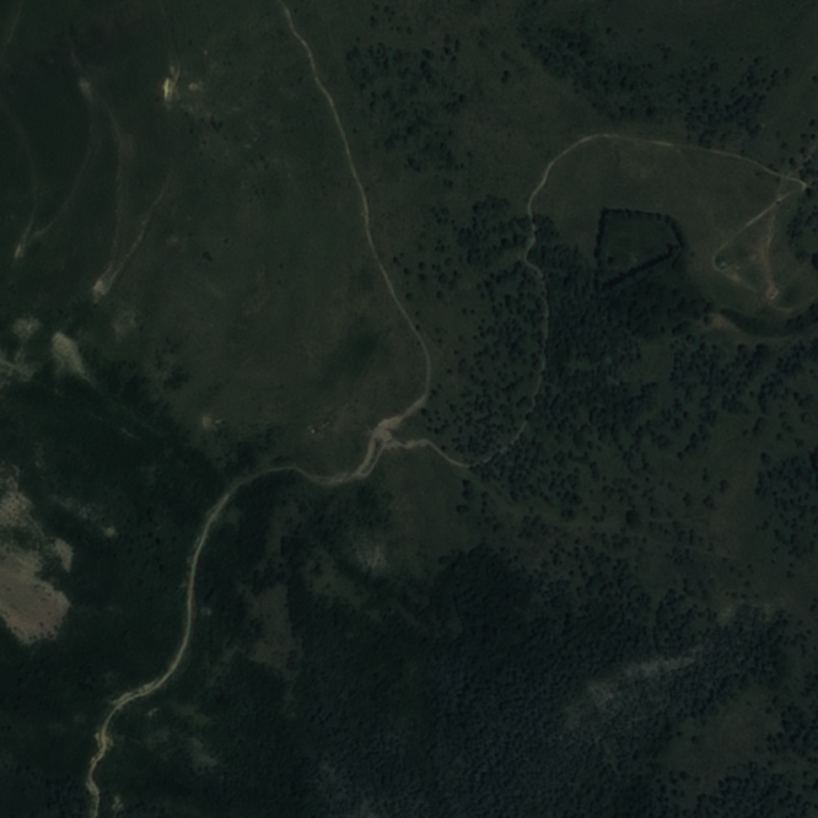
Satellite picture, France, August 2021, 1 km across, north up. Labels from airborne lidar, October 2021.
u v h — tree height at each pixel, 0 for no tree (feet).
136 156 0
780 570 0
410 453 0
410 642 20
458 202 0
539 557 0
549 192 0
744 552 0
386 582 35
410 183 0
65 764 20
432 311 0
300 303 0
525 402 30
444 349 0
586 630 30
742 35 0
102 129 0
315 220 0
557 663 43
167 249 0
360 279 0
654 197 0
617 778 50
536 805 30
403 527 0
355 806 33
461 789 20
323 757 35
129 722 22
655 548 0
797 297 0
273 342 0
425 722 27
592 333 27
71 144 0
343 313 0
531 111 0
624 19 0
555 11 0
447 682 31
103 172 0
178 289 0
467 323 0
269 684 33
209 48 0
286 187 0
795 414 0
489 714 27
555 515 0
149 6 0
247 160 0
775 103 0
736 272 0
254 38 0
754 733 0
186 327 0
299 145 0
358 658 19
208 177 0
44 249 0
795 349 20
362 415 0
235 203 0
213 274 0
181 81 0
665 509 0
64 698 18
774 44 0
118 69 0
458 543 0
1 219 0
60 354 0
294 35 0
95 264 0
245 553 23
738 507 0
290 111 0
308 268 0
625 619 35
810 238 0
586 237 0
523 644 19
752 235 0
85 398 19
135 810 39
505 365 21
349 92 0
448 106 23
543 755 30
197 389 0
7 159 0
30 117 0
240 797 28
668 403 0
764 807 38
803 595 0
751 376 33
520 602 25
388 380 0
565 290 31
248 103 0
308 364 0
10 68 0
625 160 0
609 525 0
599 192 0
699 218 0
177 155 0
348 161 0
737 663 39
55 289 0
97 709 22
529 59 0
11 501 0
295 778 42
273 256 0
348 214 0
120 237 0
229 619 30
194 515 23
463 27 0
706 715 61
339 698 32
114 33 0
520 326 27
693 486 0
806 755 36
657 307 32
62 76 0
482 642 25
